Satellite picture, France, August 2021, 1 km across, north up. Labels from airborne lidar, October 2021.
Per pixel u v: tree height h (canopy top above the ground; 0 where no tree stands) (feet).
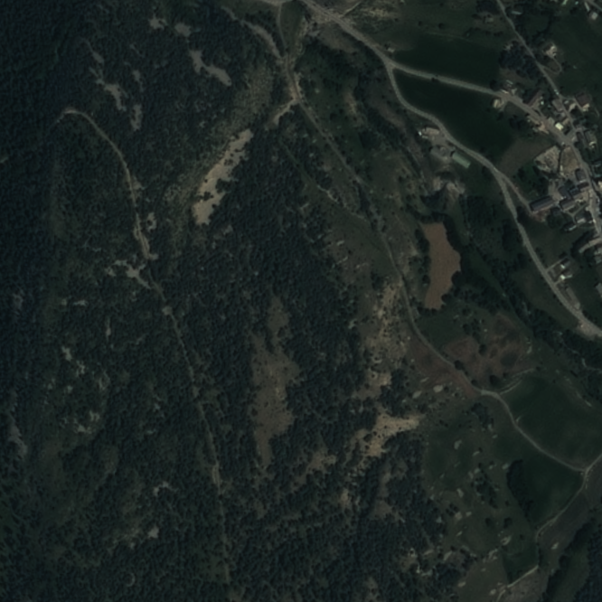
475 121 0
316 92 0
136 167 30
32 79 64
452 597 24
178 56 29
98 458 33
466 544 0
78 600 40
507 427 0
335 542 46
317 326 37
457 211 0
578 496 0
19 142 42
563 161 0
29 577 18
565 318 0
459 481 0
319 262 28
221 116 27
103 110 33
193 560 56
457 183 0
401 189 0
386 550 51
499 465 0
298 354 43
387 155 0
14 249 27
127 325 27
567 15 0
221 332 46
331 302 29
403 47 0
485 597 0
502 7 0
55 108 38
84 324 43
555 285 0
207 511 56
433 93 0
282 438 30
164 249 28
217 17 42
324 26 0
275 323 0
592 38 0
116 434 43
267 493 28
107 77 20
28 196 31
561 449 0
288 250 35
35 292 25
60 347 31
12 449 35
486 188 0
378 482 23
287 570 89
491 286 43
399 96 0
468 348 0
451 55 0
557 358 0
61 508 0
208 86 26
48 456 0
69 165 35
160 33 36
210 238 28
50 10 49
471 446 0
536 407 0
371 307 0
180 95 20
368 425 26
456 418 0
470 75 0
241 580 58
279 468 41
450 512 23
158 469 42
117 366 19
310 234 30
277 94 32
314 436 33
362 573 37
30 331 28
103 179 23
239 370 36
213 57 26
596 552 31
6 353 48
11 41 58
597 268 0
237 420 33
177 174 34
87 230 42
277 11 0
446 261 0
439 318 0
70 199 45
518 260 39
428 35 0
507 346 0
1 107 58
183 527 69
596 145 0
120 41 41
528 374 0
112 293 21
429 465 0
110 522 45
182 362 37
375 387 0
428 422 0
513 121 42
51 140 29
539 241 0
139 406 39
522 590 0
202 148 28
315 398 33
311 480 62
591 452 0
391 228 0
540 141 0
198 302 38
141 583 25
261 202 44
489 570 0
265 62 39
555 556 0
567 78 0
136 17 40
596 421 0
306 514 60
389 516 20
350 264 0
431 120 0
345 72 26
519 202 0
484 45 0
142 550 29
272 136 30
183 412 63
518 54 40
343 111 41
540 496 0
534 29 0
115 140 27
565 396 0
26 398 33
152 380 21
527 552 0
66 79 34
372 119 22
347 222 0
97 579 42
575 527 0
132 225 27
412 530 29
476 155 0
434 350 0
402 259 0
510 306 53
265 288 52
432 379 0
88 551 53
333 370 45
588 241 0
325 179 34
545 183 45
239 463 36
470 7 0
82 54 22
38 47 52
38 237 39
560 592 0
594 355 31
